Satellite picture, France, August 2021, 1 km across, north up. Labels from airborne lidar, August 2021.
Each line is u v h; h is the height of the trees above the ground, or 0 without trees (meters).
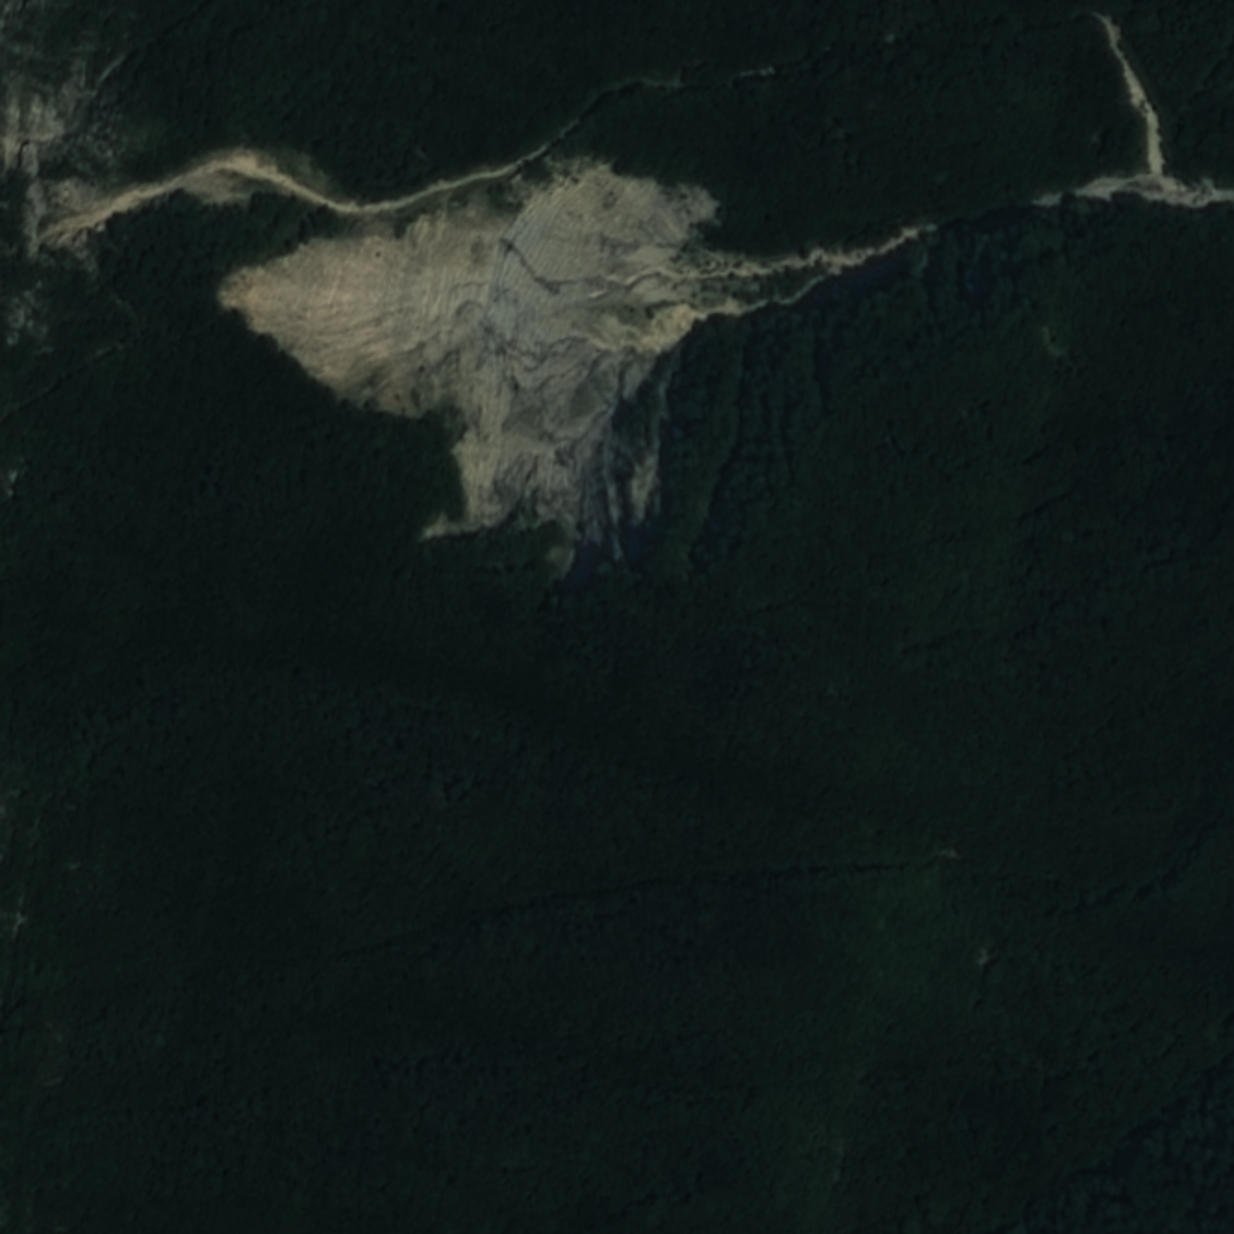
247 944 20
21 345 9
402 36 21
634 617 24
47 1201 9
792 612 29
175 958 12
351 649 23
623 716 16
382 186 12
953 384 23
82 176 7
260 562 19
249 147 7
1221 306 24
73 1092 12
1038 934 25
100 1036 20
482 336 0
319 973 16
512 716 26
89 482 25
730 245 19
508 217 0
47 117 0
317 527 21
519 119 29
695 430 22
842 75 29
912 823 18
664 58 25
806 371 29
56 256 13
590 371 0
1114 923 21
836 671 28
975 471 34
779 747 18
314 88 24
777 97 28
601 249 0
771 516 22
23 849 9
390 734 28
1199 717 26
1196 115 15
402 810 32
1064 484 33
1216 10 22
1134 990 26
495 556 19
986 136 25
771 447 20
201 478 22
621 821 27
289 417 24
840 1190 23
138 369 13
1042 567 29
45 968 20
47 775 14
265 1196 19
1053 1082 24
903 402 22
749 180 22
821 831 18
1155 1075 29
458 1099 27
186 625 17
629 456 0
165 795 16
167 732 17
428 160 15
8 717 15
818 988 24
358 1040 24
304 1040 21
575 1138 26
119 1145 16
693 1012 20
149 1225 12
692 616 24
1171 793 22
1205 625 22
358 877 28
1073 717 24
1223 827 13
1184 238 31
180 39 14
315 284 0
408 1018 25
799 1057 31
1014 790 29
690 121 21
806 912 28
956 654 29
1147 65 14
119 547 18
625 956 23
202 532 22
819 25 27
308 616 16
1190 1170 29
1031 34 22
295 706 25
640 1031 24
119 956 13
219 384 17
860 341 25
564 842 28
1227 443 30
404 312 0
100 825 10
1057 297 20
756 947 24
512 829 27
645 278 0
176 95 9
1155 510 36
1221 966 24
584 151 10
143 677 19
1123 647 20
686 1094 27
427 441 30
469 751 28
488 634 19
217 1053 15
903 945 25
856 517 28
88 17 12
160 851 12
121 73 7
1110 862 27
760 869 23
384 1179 28
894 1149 28
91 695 12
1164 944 23
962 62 21
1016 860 16
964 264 17
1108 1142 24
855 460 25
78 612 17
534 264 0
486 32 25
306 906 19
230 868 16
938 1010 24
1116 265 28
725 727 20
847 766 23
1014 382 21
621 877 20
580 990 22
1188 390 29
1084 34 20
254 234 24
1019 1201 22
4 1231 9
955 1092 34
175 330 13
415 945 20
